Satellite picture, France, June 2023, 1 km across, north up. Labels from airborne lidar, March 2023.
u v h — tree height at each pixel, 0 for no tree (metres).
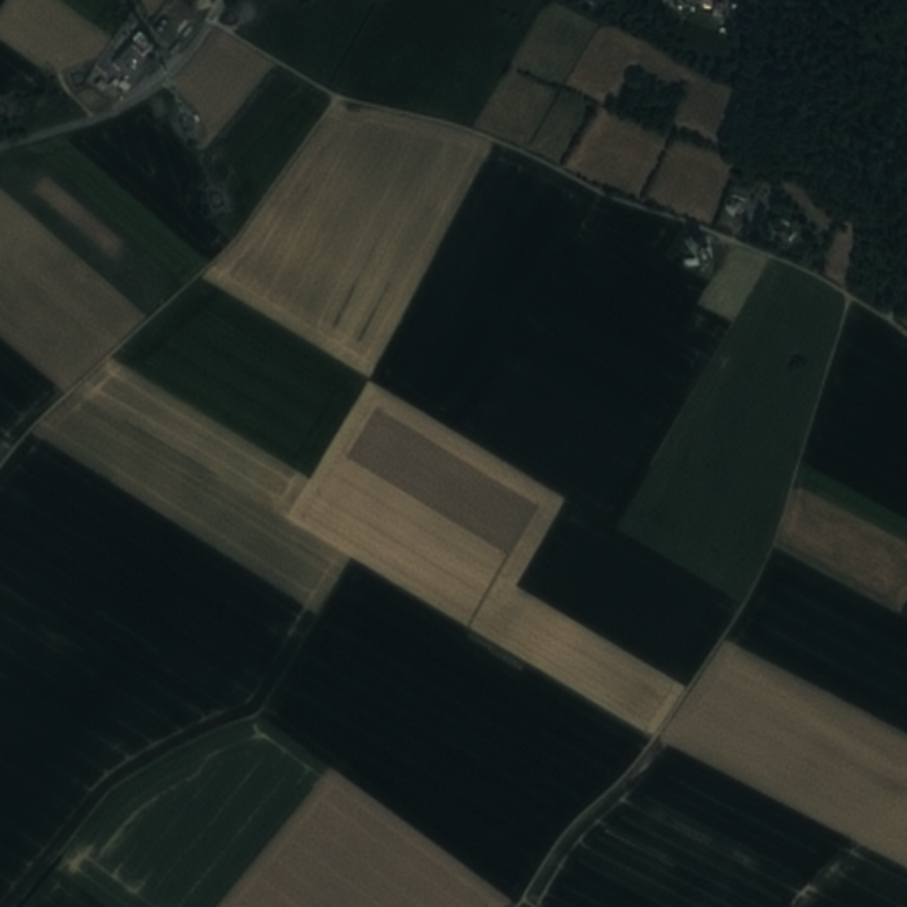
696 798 0
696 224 0
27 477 0
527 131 0
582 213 0
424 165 0
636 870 0
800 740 0
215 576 0
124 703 0
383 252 0
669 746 0
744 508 0
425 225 0
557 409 0
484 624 0
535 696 0
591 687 0
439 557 0
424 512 0
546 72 0
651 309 0
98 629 0
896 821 0
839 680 0
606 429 0
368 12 0
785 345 0
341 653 0
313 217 0
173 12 0
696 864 0
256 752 0
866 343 0
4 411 0
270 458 0
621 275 0
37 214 0
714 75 8
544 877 0
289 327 0
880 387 0
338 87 0
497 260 0
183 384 0
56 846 0
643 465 0
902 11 19
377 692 0
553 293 0
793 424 0
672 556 0
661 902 0
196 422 0
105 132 0
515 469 0
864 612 0
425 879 0
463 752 0
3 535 0
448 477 0
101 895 0
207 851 0
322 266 0
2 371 0
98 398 0
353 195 0
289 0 0
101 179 0
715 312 0
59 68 0
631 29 8
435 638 0
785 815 0
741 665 0
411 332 0
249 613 0
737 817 0
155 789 0
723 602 0
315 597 0
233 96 0
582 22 0
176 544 0
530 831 0
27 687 0
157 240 0
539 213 0
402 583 0
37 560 0
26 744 0
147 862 0
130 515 0
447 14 0
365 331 0
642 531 0
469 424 0
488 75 0
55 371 0
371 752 0
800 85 27
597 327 0
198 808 0
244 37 0
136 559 0
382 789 0
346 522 0
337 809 0
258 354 0
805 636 0
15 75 0
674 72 0
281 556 0
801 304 0
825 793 0
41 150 0
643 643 0
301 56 0
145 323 0
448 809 0
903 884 0
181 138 0
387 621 0
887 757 0
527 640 0
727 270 0
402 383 0
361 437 0
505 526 0
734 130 20
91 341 0
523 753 0
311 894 0
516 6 0
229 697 0
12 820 0
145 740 0
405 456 0
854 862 0
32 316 0
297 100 0
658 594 0
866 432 0
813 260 7
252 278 0
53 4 0
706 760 0
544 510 0
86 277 0
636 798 0
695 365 0
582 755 0
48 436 0
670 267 0
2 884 0
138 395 0
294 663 0
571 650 0
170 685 0
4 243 0
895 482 0
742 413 0
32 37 0
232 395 0
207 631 0
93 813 0
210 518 0
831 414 0
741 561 0
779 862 0
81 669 0
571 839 0
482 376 0
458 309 0
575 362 0
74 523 0
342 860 0
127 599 0
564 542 0
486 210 0
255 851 0
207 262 0
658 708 0
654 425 0
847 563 0
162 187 0
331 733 0
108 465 0
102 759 0
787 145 25
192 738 0
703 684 0
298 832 0
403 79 0
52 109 0
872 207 26
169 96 0
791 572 0
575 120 0
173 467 0
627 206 0
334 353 0
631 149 0
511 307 0
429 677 0
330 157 0
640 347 0
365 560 0
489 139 0
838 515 0
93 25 0
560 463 0
